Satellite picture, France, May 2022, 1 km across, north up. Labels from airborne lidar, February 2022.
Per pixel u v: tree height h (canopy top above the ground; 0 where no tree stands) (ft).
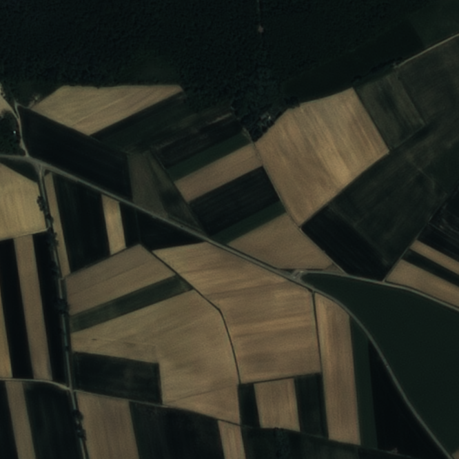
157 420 0
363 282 0
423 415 0
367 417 0
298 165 0
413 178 0
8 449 0
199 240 0
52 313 0
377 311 0
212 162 0
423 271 0
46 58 63
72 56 74
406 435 0
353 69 0
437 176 0
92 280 0
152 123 0
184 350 0
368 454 0
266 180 0
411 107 0
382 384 0
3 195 0
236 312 0
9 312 0
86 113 0
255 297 0
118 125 0
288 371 0
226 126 0
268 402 0
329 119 0
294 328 0
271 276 0
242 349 0
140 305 0
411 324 0
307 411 0
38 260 0
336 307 0
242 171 0
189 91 46
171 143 0
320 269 0
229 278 0
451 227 0
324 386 0
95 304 0
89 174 0
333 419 0
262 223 0
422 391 0
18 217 0
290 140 0
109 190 0
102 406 0
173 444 0
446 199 0
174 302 0
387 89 0
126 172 0
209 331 0
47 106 0
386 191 0
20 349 0
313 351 0
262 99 86
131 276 0
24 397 0
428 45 0
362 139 0
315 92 0
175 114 0
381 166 0
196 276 0
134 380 0
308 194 0
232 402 0
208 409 0
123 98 0
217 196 0
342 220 0
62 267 0
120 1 78
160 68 0
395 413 0
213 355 0
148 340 0
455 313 0
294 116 0
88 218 0
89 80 59
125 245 0
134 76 0
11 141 25
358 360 0
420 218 0
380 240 0
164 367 0
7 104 0
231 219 0
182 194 0
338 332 0
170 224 0
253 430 0
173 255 0
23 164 0
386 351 0
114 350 0
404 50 0
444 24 0
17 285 0
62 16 57
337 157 0
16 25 42
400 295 0
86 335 0
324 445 0
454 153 0
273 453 0
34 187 0
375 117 0
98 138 0
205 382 0
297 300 0
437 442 0
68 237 0
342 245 0
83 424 0
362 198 0
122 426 0
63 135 0
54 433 0
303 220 0
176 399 0
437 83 0
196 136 0
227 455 0
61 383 0
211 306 0
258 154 0
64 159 0
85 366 0
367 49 0
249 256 0
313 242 0
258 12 52
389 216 0
